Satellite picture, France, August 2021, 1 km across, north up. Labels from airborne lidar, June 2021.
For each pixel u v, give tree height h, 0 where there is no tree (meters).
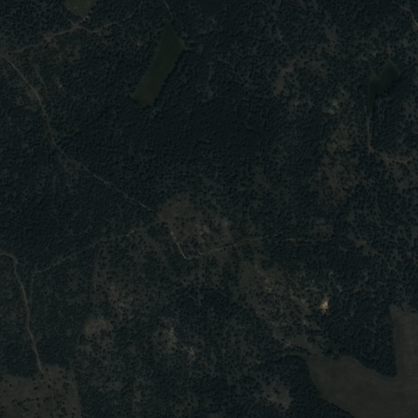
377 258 9
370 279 7
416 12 12
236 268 6
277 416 6
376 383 0
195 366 7
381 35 10
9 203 9
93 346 7
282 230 9
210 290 6
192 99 11
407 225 10
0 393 0
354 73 8
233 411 7
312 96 8
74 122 9
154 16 10
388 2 10
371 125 7
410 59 10
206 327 7
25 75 6
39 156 12
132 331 7
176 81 12
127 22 9
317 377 0
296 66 8
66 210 6
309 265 10
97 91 11
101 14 9
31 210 7
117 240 6
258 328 7
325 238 7
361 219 9
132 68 15
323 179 7
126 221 8
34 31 6
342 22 10
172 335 0
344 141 0
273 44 9
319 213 8
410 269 8
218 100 12
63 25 9
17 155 10
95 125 16
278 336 0
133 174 6
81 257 6
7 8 10
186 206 0
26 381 0
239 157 9
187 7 10
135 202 7
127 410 7
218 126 14
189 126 13
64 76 8
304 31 7
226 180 9
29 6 8
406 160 0
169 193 6
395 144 7
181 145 13
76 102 8
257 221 8
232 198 9
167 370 6
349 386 0
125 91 8
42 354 7
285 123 8
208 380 7
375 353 12
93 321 0
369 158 7
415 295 7
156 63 0
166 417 8
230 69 11
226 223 0
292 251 8
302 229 8
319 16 9
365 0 11
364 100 11
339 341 13
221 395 9
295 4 7
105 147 10
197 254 7
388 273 8
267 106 9
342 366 0
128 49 10
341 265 8
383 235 8
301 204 8
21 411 0
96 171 8
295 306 8
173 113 11
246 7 11
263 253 7
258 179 0
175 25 14
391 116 7
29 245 7
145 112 12
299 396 11
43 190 6
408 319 0
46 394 0
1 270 6
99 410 6
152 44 12
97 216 6
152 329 7
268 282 0
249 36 7
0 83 8
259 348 7
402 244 8
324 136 12
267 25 7
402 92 11
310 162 14
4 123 7
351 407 0
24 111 8
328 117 12
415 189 7
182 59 16
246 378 8
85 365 0
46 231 7
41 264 6
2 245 6
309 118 8
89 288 7
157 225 6
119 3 10
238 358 9
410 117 9
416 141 11
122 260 6
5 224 6
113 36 11
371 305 12
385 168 8
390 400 0
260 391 6
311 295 8
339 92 7
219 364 7
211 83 11
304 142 7
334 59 8
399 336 0
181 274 7
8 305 7
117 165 10
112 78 10
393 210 10
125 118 14
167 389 7
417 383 0
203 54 8
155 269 6
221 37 13
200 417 7
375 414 0
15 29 9
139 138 10
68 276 6
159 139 10
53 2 8
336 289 7
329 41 6
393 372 9
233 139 11
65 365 7
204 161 11
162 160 8
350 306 10
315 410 13
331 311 10
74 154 9
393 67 0
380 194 8
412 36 9
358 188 12
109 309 6
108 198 7
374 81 0
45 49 6
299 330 9
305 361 8
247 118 13
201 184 7
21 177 10
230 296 8
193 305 9
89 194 7
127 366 10
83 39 8
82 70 8
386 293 8
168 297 7
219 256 0
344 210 9
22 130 7
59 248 6
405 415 0
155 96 0
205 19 10
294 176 6
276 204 7
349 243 9
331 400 0
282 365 11
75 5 0
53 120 7
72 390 0
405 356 0
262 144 9
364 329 13
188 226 0
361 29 6
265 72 6
